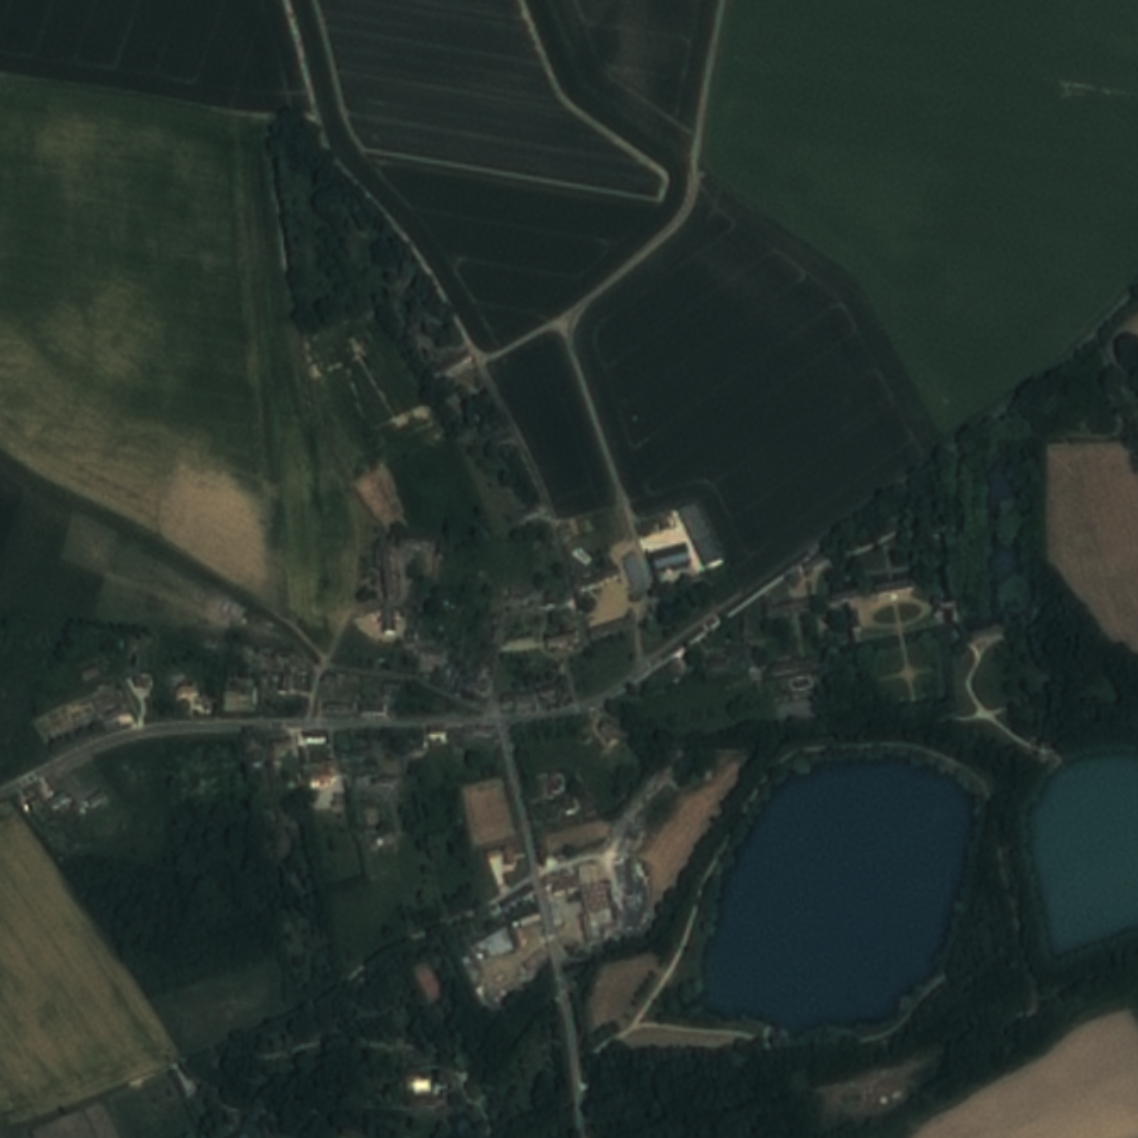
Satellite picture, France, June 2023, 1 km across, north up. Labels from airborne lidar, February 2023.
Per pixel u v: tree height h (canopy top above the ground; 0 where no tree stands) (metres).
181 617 0
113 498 0
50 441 0
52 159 0
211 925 18
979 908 15
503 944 0
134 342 0
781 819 0
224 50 0
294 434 0
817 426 0
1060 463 0
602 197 0
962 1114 0
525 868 0
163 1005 0
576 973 0
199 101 0
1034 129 0
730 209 0
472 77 0
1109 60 0
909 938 0
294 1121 28
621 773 9
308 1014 19
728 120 0
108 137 0
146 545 0
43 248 0
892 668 0
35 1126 0
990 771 15
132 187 0
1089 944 0
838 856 0
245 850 20
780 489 0
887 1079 0
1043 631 17
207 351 0
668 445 0
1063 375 13
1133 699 18
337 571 0
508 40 0
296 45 0
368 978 7
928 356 0
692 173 0
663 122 0
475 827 0
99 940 0
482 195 0
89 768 0
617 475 0
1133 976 22
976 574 28
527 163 0
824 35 0
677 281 0
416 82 0
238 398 0
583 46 0
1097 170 0
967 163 0
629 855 0
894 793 0
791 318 0
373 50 0
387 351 0
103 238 0
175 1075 11
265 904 15
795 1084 18
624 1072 17
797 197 0
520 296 0
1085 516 0
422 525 0
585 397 0
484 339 0
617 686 0
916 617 0
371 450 0
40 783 0
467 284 0
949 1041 18
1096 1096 0
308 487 0
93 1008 0
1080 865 0
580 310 0
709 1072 31
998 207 0
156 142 0
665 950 17
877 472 0
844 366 0
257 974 0
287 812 7
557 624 11
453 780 7
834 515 0
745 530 0
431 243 0
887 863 0
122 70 0
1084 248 0
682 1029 0
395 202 0
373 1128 14
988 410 0
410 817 10
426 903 15
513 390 0
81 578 0
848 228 0
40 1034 0
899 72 0
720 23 0
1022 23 0
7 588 0
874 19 0
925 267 0
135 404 0
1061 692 18
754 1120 22
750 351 0
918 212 0
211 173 0
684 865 0
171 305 0
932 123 0
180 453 0
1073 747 18
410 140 0
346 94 0
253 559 0
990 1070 23
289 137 18
